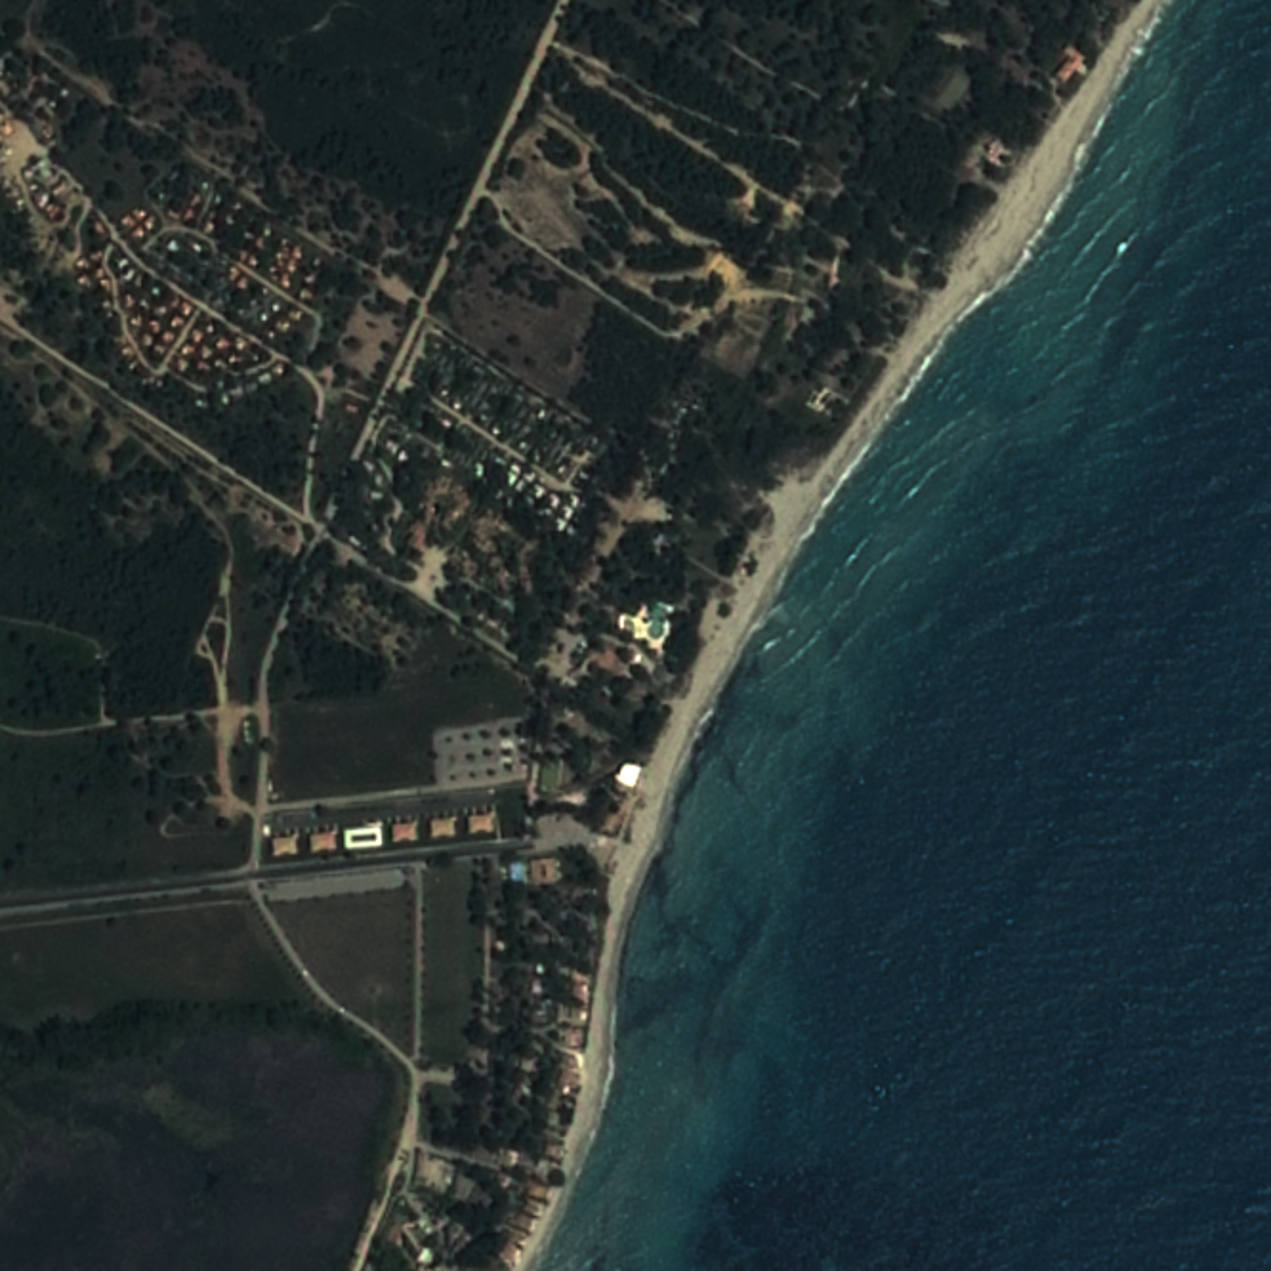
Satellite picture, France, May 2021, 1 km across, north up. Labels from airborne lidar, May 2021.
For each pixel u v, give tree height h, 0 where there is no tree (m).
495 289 9
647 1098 0
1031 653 0
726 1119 0
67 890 0
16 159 0
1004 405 0
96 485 7
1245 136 0
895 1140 0
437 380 13
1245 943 0
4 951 0
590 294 0
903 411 0
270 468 5
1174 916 0
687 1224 0
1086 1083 0
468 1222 13
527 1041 20
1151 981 0
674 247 12
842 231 17
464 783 0
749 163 12
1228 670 0
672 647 17
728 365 0
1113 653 0
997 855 0
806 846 0
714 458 18
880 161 17
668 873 0
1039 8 19
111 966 0
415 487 15
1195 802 0
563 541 15
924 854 0
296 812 0
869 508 0
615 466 22
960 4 21
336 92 13
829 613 0
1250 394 0
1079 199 0
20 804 0
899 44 0
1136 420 0
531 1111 14
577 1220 0
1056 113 0
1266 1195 0
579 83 13
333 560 11
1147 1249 0
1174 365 0
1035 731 0
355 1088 0
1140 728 0
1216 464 0
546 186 0
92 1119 0
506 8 12
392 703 0
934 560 0
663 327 12
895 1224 0
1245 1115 0
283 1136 0
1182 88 0
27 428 9
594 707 19
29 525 8
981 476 0
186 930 0
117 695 8
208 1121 0
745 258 20
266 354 10
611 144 14
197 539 12
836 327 16
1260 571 0
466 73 11
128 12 6
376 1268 7
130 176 0
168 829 0
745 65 11
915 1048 0
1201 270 0
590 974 13
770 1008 0
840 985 0
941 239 13
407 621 11
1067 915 0
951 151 20
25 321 9
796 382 11
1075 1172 0
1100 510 0
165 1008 6
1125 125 0
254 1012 11
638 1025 0
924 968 0
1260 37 0
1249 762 0
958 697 0
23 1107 0
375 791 0
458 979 0
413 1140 0
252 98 11
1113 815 0
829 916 0
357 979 0
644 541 8
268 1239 0
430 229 6
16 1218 0
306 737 0
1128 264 0
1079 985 0
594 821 21
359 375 6
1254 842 0
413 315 7
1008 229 0
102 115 11
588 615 18
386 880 0
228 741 0
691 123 11
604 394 13
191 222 9
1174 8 0
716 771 0
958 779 0
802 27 14
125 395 12
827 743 0
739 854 0
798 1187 0
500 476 14
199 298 12
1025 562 0
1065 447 0
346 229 11
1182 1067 0
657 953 0
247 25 11
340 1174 0
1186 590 0
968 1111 0
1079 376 0
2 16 0
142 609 11
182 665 11
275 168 10
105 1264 0
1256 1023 0
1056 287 0
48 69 12
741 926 0
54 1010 0
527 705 8
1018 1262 0
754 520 7
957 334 0
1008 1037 0
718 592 0
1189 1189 0
